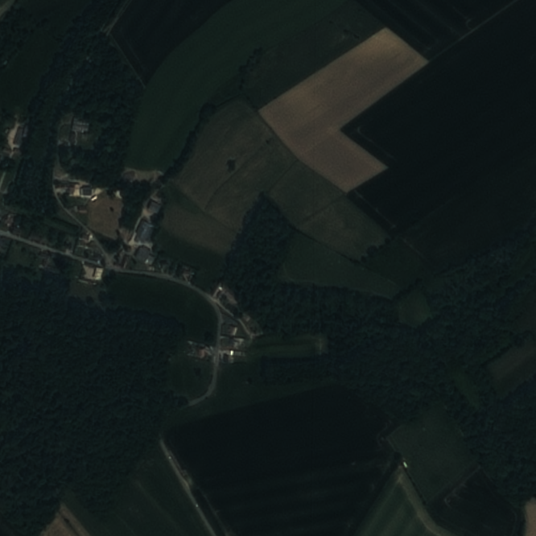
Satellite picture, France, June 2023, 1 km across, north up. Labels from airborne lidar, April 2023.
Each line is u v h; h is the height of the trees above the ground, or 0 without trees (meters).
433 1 0
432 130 0
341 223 0
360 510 0
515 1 0
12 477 24
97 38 12
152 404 30
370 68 0
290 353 0
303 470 0
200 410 0
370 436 0
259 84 0
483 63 0
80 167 20
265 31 0
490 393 18
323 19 0
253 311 24
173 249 0
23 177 19
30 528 14
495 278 15
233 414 0
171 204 0
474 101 0
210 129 0
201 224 0
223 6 0
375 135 0
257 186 0
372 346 28
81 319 28
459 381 0
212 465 0
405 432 0
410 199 0
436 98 0
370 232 0
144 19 0
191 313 0
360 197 0
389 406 21
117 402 28
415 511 0
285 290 20
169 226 0
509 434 22
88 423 24
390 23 0
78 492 19
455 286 21
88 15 13
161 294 0
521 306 0
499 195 0
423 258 0
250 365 0
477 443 29
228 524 0
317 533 0
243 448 0
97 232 0
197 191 0
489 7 0
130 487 0
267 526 0
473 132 0
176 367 0
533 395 23
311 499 0
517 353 0
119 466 25
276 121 0
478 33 0
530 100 0
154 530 0
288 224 24
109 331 27
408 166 0
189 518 0
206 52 0
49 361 25
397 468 0
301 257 0
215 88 0
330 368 20
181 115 0
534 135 0
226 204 0
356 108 0
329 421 0
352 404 0
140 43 0
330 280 0
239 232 0
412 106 0
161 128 0
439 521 0
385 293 0
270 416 0
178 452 0
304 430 0
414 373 28
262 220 24
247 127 0
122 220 11
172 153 0
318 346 0
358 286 0
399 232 0
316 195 0
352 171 0
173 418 0
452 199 0
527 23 0
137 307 0
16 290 24
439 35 0
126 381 31
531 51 0
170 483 0
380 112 0
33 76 0
